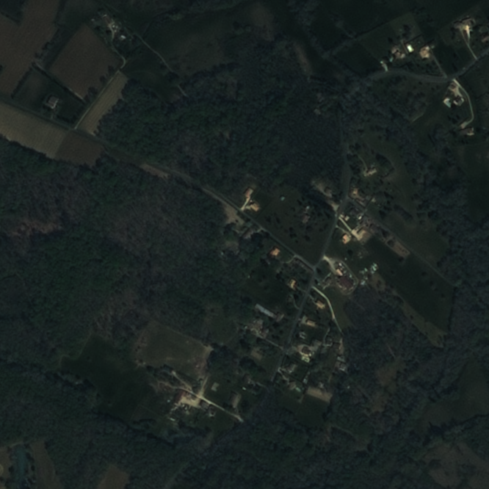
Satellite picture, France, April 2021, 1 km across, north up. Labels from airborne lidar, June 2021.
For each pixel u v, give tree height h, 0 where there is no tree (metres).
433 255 0
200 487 13
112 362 0
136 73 0
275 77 14
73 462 22
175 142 18
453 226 15
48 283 24
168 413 8
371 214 0
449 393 12
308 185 14
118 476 0
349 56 0
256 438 26
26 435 20
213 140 17
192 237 21
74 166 15
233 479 23
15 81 0
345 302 0
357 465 23
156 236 21
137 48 6
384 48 0
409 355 13
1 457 0
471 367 0
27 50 0
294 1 15
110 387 0
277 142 23
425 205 8
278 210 0
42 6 0
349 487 26
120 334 19
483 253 21
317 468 23
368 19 0
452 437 9
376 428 19
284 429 22
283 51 19
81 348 15
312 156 22
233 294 22
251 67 20
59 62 0
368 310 19
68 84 0
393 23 0
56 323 23
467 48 0
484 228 17
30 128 0
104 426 24
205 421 0
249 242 12
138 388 0
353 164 10
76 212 16
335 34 0
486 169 0
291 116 22
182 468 22
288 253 0
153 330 0
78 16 0
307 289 0
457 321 20
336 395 19
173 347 0
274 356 6
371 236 0
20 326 21
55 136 0
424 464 11
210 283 25
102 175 24
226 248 13
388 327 17
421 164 18
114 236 18
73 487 20
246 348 11
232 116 25
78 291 25
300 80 24
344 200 0
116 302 14
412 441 23
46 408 24
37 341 14
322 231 9
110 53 0
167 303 17
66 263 27
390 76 0
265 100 20
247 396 0
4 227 14
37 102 0
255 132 26
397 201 0
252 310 25
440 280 0
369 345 21
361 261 0
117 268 22
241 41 0
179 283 19
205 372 0
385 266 0
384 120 18
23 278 10
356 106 18
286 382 8
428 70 8
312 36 15
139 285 12
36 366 27
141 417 0
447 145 23
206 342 11
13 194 23
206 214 26
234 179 14
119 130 19
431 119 0
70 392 19
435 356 18
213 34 0
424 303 0
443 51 0
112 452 20
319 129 23
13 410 18
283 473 22
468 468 8
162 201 19
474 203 0
